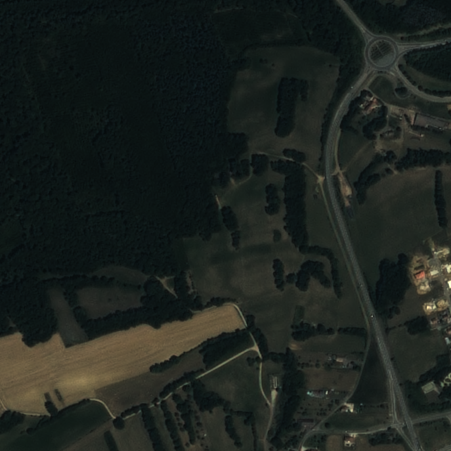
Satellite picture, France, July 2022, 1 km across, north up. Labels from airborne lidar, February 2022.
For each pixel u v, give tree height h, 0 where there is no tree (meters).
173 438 17
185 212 23
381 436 7
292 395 8
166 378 0
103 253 15
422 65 11
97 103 7
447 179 0
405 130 0
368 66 0
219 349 16
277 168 11
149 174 12
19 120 20
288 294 0
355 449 0
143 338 0
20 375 0
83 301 0
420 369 0
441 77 13
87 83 7
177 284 12
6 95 11
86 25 9
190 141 18
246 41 0
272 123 0
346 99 0
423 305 0
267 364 0
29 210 24
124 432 0
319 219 0
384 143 0
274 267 11
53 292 0
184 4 16
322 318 0
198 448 0
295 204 20
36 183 17
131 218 18
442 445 0
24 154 26
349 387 0
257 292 0
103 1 20
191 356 0
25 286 22
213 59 19
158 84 19
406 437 0
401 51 0
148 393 0
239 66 18
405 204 0
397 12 19
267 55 0
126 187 11
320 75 0
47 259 17
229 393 0
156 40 20
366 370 0
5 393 0
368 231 0
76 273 21
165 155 14
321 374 0
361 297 0
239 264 0
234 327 0
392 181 0
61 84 6
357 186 19
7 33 6
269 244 0
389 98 0
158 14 13
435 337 0
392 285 18
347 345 0
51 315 7
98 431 0
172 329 0
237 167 20
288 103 20
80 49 7
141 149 9
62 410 9
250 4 17
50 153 25
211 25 18
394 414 0
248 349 0
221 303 15
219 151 22
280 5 24
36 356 0
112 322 19
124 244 18
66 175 18
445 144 0
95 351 0
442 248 0
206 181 18
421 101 0
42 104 7
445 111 0
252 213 0
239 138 22
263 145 0
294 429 16
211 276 0
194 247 0
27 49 9
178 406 12
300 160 20
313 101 0
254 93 0
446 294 0
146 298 11
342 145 0
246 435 0
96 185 8
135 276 0
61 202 21
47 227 21
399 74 0
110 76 12
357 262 0
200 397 14
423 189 0
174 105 22
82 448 0
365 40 0
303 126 0
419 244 0
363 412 0
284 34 0
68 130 6
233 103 0
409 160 17
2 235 0
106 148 22
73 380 0
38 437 0
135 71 14
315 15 22
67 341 0
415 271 0
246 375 0
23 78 15
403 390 0
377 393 0
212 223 17
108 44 13
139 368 0
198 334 0
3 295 22
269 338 0
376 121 13
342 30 18
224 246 0
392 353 0
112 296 0
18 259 21
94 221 16
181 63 22
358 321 0
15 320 17
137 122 14
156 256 24
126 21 15
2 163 18
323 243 0
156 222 8
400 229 0
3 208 20
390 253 0
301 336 23
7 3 16
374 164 7
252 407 0
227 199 0
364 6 24
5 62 19
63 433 0
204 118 22
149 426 16
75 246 14
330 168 0
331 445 0
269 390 0
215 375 0
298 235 15
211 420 0
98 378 0
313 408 0
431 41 0
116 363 0
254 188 0
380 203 0
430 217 0
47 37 21
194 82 26
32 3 16
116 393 0
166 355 0
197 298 9
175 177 14
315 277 6
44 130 23
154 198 12
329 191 0
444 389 7
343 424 0
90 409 0
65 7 15
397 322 0
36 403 0
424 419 0
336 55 18
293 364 16
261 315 0
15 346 0
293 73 0
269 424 0
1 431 6
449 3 6
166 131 19
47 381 0
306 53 0
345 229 0
